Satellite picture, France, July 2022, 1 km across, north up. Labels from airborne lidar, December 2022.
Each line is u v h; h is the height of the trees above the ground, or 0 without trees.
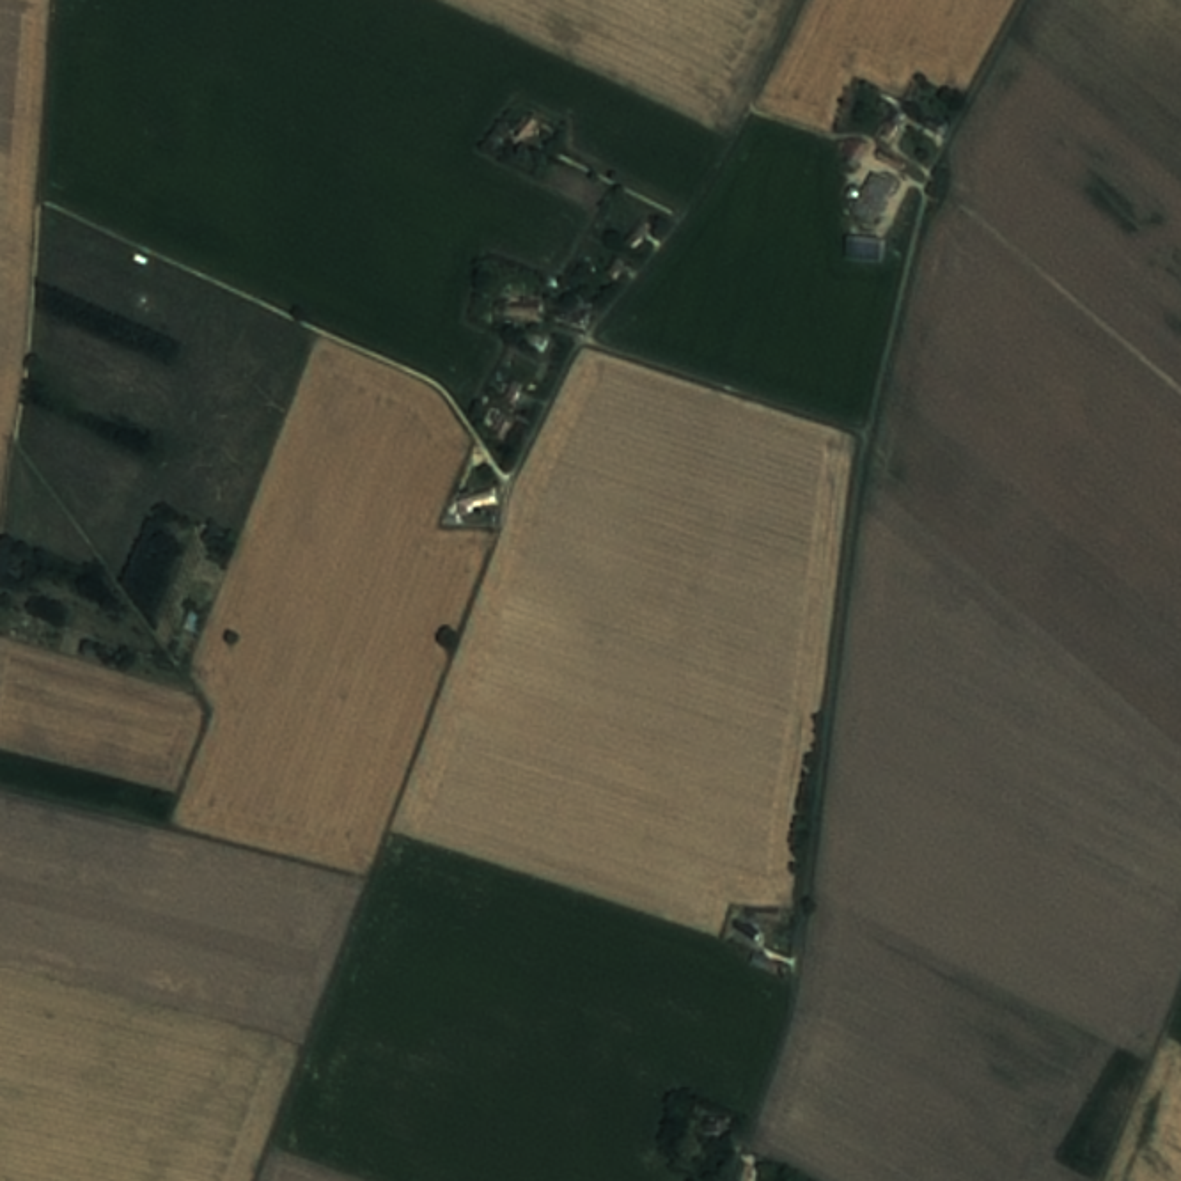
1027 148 0
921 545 0
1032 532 0
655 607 0
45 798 0
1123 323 0
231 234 0
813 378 0
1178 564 0
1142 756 0
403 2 0
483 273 13
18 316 0
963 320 0
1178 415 0
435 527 0
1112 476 0
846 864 0
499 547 0
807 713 0
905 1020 0
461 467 0
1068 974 0
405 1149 0
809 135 0
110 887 0
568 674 0
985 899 0
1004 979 0
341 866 0
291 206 0
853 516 0
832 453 0
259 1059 0
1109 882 0
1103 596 0
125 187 0
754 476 0
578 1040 0
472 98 0
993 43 0
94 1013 0
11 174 0
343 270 0
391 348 0
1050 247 0
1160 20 0
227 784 0
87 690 0
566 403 0
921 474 0
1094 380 0
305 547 0
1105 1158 0
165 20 0
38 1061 0
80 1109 0
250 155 0
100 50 0
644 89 0
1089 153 0
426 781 0
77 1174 0
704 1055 0
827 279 0
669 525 0
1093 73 0
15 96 0
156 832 0
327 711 0
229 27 0
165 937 0
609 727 0
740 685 0
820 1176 0
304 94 0
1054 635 0
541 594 0
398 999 0
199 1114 0
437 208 0
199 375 0
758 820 0
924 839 0
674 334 0
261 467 0
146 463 0
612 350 0
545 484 0
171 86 0
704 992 0
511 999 0
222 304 0
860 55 0
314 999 0
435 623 0
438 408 0
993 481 0
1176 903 0
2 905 0
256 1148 0
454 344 0
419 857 0
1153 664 0
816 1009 0
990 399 0
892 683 0
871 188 0
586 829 0
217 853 0
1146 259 0
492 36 0
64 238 0
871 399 0
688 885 0
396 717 0
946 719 0
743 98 0
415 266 0
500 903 0
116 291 0
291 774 0
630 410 0
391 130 0
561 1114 0
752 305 0
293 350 0
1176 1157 0
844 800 0
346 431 0
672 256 0
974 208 0
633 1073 0
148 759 0
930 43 0
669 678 0
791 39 0
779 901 0
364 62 0
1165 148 0
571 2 0
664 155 0
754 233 0
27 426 0
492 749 0
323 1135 0
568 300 12
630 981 0
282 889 0
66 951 0
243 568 0
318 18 0
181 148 0
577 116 0
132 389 0
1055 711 0
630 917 0
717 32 0
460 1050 0
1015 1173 0
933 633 0
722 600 0
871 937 0
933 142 0
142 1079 0
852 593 0
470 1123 0
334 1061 0
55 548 0
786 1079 0
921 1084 0
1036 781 0
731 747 0
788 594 0
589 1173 0
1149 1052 0
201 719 0
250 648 0
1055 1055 0
